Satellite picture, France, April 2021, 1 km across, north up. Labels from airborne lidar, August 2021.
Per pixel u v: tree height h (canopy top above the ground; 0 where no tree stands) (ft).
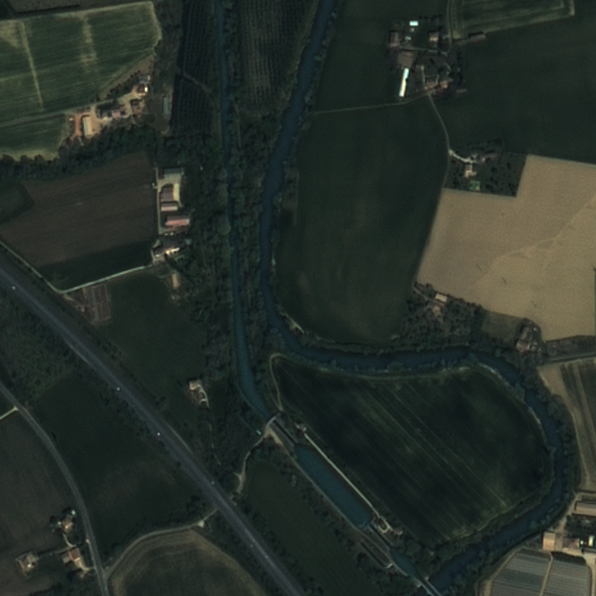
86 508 0
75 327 0
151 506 0
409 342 23
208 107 83
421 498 0
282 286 0
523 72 0
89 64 0
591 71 0
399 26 0
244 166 36
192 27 88
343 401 0
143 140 53
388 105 0
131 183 0
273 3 85
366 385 0
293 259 0
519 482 0
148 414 0
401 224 0
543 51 0
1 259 0
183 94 75
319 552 0
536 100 0
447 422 0
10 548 0
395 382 0
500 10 0
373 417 0
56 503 0
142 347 0
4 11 0
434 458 0
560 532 0
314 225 0
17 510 0
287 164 27
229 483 74
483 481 0
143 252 0
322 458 0
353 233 0
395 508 0
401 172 0
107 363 0
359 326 0
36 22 0
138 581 0
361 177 0
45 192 0
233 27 35
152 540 0
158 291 0
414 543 61
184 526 0
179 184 0
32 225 0
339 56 0
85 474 0
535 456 0
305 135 0
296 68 87
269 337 57
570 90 0
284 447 39
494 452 0
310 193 0
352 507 0
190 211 35
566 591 0
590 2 0
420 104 0
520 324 0
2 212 0
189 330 0
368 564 71
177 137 45
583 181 0
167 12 65
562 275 0
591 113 0
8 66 0
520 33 0
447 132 0
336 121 0
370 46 0
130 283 0
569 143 0
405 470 0
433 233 0
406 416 0
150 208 0
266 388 49
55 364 51
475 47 0
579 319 0
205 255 0
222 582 0
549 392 49
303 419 0
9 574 0
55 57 0
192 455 0
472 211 0
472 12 0
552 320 0
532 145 0
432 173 0
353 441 0
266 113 93
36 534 0
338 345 24
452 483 0
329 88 0
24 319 46
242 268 43
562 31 0
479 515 0
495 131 0
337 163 0
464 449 0
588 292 0
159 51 45
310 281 0
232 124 38
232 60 64
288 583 0
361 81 0
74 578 58
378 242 0
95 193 0
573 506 0
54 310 0
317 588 33
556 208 0
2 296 57
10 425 0
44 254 0
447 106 0
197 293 39
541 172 0
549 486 93
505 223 0
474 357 88
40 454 0
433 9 0
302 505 0
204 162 33
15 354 46
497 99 0
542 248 0
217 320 37
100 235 0
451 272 0
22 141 0
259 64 100
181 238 37
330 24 34
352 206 0
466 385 0
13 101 0
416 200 0
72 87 0
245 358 0
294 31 81
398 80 0
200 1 89
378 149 0
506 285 0
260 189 22
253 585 0
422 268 0
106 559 34
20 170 55
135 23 0
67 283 0
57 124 0
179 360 0
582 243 0
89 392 0
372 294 0
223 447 66
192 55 89
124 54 0
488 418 0
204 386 41
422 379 0
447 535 0
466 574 47
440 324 28
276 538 37
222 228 79
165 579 0
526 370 93
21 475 0
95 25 0
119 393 32
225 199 53
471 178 0
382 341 0
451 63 25
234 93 51
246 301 32
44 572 0
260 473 0
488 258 0
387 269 0
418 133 0
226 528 48
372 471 0
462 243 0
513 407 0
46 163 19
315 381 0
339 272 0
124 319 0
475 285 0
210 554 0
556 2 0
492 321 0
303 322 0
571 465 80
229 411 27
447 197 0
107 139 48
